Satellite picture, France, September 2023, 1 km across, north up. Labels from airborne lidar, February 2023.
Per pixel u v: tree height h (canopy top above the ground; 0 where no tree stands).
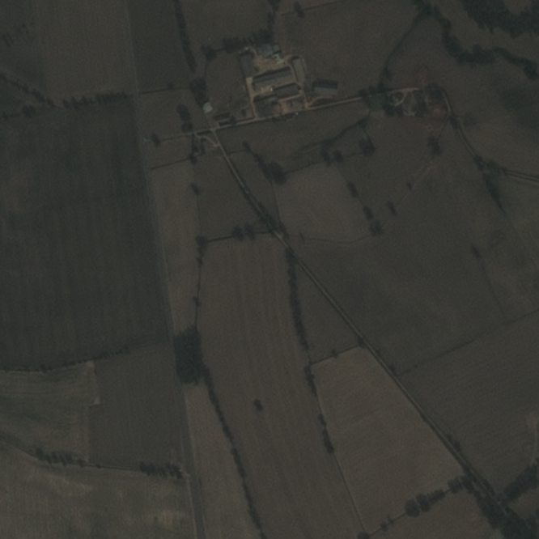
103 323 0
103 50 0
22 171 0
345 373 0
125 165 0
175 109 0
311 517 0
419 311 0
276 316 0
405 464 0
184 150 0
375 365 0
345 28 0
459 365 0
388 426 0
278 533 0
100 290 0
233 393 0
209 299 0
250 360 0
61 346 0
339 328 0
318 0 0
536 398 0
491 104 0
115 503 0
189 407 0
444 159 0
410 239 0
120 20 0
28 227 0
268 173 20
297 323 14
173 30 0
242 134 0
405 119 0
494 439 0
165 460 0
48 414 0
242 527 0
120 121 0
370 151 17
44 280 0
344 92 0
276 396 0
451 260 0
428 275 0
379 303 0
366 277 0
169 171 0
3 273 0
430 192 0
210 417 0
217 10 0
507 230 0
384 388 0
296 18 0
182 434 0
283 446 0
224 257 0
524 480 16
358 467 0
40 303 0
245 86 0
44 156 0
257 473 0
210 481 0
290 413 0
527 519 0
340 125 0
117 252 0
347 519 0
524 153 0
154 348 0
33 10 0
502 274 0
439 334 0
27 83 0
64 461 12
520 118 0
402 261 0
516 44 0
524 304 0
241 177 0
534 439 0
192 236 0
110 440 0
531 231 0
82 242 0
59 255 0
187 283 0
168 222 0
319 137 0
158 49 0
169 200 0
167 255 0
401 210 0
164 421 0
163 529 0
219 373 0
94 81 0
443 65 0
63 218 0
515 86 0
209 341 0
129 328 0
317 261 0
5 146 0
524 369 0
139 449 0
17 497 0
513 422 0
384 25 0
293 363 0
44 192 0
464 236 0
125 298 0
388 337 0
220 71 0
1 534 0
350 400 0
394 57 0
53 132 0
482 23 24
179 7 16
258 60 0
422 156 0
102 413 0
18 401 0
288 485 0
